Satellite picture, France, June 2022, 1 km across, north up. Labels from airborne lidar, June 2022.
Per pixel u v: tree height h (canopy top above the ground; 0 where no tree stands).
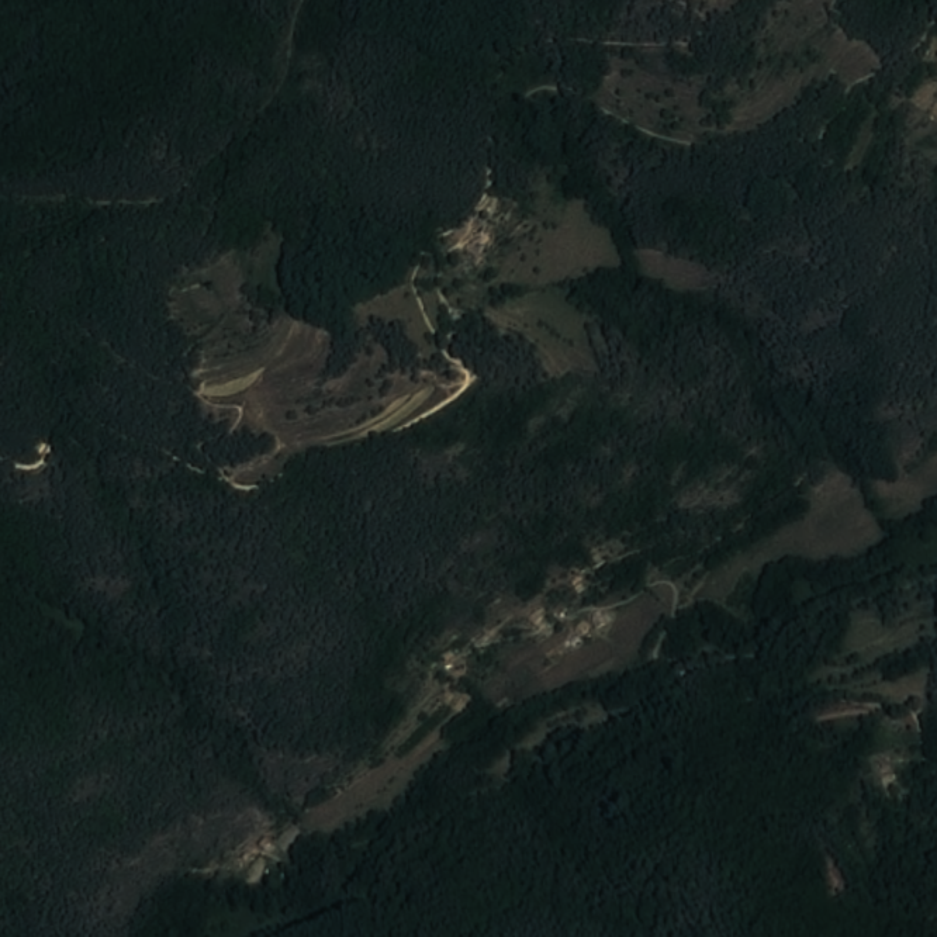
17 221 16
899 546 10
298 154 22
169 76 10
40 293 17
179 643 12
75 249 16
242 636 11
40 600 13
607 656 0
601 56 10
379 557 17
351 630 17
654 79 0
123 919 8
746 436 14
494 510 11
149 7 19
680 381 13
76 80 13
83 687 13
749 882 8
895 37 17
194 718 20
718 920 11
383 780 0
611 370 13
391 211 19
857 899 17
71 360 14
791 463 11
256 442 11
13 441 17
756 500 9
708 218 17
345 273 36
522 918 11
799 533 0
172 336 11
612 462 12
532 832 10
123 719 12
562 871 19
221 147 19
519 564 10
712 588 0
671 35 10
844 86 15
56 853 13
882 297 14
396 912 15
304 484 16
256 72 7
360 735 15
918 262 14
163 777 16
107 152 11
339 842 19
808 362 17
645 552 10
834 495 0
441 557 15
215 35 17
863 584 16
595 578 9
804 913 13
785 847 9
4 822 10
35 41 14
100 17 16
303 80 13
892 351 15
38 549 12
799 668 15
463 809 14
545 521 10
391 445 15
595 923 11
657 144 11
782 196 25
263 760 8
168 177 15
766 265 12
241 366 0
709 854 7
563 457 13
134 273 12
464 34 36
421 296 7
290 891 23
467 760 23
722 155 11
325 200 16
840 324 7
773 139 17
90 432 28
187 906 20
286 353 0
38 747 12
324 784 10
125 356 11
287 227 19
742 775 14
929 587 11
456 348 18
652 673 18
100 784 7
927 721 12
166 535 11
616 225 18
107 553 13
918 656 13
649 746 8
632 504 10
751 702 10
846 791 9
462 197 14
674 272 0
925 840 14
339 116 12
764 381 20
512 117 15
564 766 14
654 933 15
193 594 9
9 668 20
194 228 14
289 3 17
